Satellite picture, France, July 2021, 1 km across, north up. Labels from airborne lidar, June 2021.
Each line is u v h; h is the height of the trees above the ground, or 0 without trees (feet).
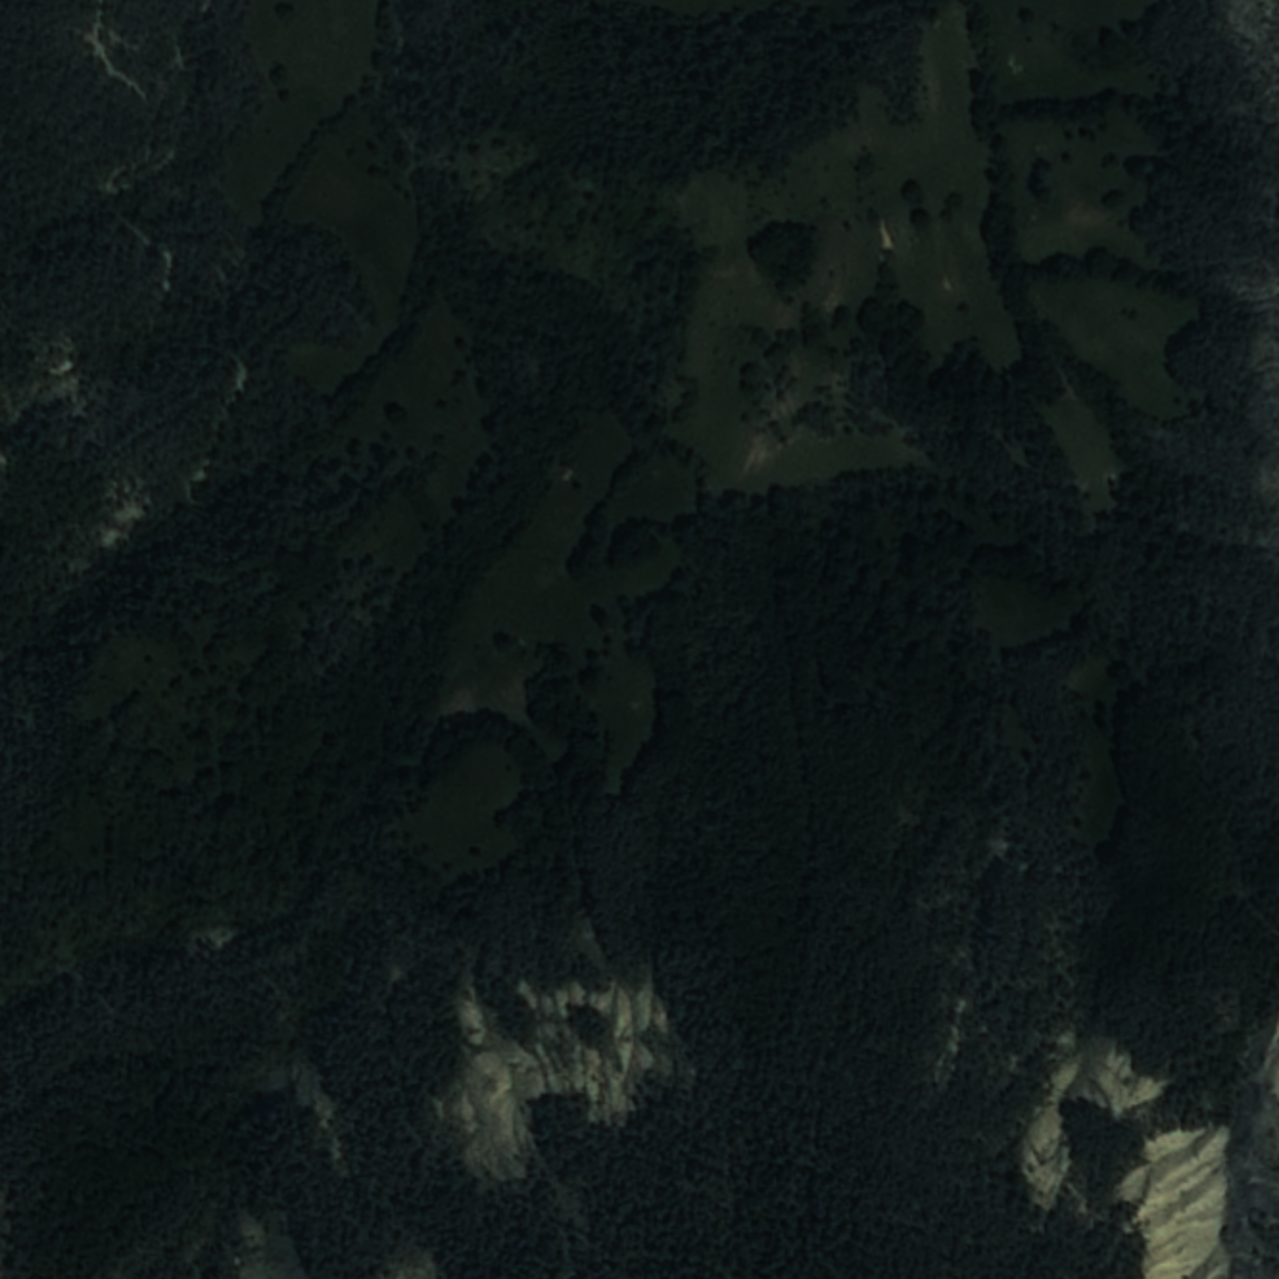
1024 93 0
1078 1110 34
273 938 32
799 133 36
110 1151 64
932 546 69
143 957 44
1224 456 34
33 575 61
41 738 31
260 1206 35
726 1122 35
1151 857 59
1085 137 36
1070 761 61
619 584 0
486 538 46
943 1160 32
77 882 35
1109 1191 31
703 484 44
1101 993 59
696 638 34
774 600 34
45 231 76
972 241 0
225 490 31
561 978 28
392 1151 55
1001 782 42
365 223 0
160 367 25
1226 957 75
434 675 57
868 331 64
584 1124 18
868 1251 47
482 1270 42
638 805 65
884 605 62
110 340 26
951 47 0
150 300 43
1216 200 66
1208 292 46
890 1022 63
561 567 0
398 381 0
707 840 42
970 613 65
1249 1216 0
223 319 52
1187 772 83
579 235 25
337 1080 49
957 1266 55
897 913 58
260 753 20
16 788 59
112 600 73
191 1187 47
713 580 59
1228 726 61
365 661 72
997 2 0
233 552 63
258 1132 21
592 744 71
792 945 43
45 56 45
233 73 69
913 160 0
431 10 47
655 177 24
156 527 50
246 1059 47
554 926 61
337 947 28
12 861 40
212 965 49
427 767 22
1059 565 53
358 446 36
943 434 67
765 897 45
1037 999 41
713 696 42
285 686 47
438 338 0
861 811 64
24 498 37
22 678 41
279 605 44
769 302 0
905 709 53
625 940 47
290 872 52
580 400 42
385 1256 21
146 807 47
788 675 35
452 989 26
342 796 79
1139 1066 31
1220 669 76
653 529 38
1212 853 64
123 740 37
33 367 48
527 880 57
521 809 52
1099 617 45
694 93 40
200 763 30
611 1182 36
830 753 77
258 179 0
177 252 42
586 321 39
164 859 51
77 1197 57
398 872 56
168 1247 24
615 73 74
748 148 43
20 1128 54
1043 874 41
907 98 28
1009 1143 26
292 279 54
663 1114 49
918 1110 34
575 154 29
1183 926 72
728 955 55
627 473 53
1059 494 64
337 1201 40
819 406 34
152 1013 45
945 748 74
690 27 24
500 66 49
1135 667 39
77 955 36
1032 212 0
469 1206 58
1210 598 34
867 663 99
